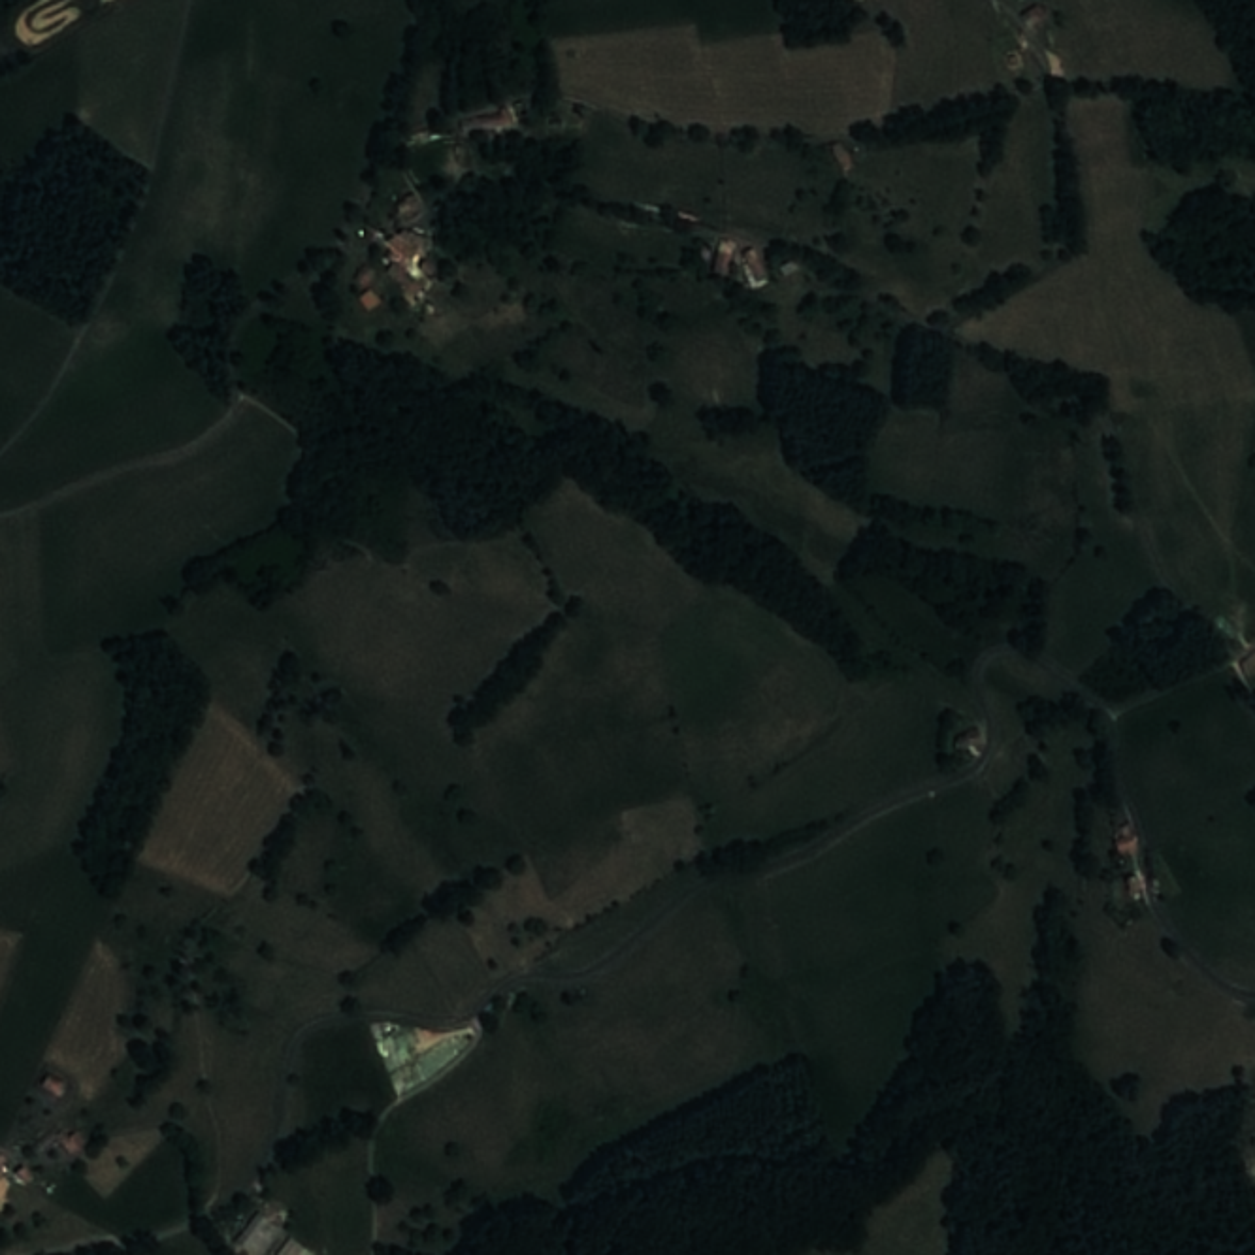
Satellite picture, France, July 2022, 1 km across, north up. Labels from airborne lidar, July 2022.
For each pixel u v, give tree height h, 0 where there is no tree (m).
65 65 0
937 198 0
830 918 0
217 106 0
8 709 0
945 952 0
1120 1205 23
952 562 24
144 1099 22
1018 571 19
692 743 0
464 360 0
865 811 0
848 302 13
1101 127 0
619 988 0
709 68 0
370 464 18
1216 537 0
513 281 10
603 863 0
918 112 14
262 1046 0
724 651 0
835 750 0
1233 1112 22
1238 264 20
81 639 0
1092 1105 19
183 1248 0
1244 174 0
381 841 0
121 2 0
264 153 0
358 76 0
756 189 0
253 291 0
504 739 0
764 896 0
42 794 0
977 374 0
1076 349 0
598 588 0
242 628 0
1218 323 0
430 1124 0
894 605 0
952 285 0
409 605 0
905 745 0
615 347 0
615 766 0
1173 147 20
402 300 10
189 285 15
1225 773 0
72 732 0
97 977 0
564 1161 0
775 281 7
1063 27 10
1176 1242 23
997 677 0
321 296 22
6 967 0
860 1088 0
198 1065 0
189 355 12
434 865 0
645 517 16
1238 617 0
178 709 19
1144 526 0
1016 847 0
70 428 0
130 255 0
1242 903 0
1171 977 0
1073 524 0
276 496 0
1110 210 0
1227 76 0
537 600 0
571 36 0
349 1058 0
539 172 9
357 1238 0
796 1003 0
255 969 0
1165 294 0
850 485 30
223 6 0
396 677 0
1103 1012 0
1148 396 0
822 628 16
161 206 0
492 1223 29
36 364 0
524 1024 0
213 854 0
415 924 11
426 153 0
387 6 0
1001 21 0
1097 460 0
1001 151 10
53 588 0
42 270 23
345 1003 9
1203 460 0
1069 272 0
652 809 0
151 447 0
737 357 0
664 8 0
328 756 0
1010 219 0
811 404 31
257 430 0
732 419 21
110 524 0
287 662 15
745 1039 0
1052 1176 26
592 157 0
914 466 0
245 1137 0
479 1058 0
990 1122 22
